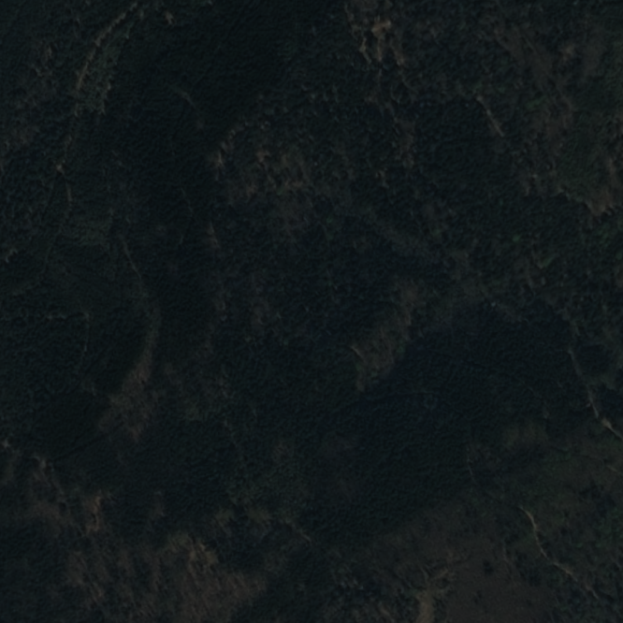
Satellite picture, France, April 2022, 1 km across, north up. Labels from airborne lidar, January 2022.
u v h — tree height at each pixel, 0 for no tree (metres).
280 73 30
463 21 26
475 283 29
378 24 23
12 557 22
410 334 27
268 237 28
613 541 18
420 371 30
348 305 33
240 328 30
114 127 23
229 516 0
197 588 16
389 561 12
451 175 33
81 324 13
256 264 24
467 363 25
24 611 15
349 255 36
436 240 16
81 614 18
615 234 29
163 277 26
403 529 25
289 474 21
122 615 23
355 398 37
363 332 29
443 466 32
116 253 23
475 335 22
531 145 26
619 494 11
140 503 22
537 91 28
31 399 25
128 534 24
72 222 17
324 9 25
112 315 12
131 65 16
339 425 34
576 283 28
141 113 29
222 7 23
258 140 42
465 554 10
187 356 31
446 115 30
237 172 31
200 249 31
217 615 20
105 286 18
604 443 23
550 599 14
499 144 30
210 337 24
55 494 16
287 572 21
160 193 32
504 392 29
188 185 30
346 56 34
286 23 19
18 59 18
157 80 31
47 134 21
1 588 20
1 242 11
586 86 11
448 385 28
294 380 27
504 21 11
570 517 14
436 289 31
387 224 28
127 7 16
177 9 15
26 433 18
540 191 23
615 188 11
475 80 31
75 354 11
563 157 11
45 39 22
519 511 12
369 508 32
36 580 24
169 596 16
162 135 31
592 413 27
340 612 22
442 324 21
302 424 27
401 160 38
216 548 21
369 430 33
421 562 10
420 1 29
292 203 33
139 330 19
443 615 7
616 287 28
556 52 12
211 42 24
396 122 34
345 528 28
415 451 30
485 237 29
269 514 15
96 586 17
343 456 25
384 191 39
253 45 25
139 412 24
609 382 21
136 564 20
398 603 14
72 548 18
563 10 13
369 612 26
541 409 21
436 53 28
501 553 17
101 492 17
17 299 9
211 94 28
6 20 13
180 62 26
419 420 21
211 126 25
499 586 12
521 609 14
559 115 27
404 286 30
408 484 28
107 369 14
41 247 20
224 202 30
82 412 23
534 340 27
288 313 30
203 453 30
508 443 26
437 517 25
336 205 27
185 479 25
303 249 33
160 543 19
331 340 42
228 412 24
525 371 27
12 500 21
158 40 17
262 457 31
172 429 30
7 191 7
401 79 43
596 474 19
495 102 25
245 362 33
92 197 22
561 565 33
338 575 22
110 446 24
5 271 22
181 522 21
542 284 34
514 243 25
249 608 22
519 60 12
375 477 23
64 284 20
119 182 17
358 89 37
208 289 29
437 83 32
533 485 21
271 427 25
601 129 12
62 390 13
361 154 35
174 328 25
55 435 20
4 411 17
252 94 29
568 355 27
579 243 26
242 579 16
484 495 21
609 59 13
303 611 24
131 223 22
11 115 20
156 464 28
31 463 20
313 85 38
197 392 33
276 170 33
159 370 31
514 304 30
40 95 12
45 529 20
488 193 23
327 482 22
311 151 33
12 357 22
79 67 14
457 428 27
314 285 37
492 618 12
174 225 23
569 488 12
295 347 29
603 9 14
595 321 35
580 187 13
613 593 13
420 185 35
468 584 11
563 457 21
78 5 16
